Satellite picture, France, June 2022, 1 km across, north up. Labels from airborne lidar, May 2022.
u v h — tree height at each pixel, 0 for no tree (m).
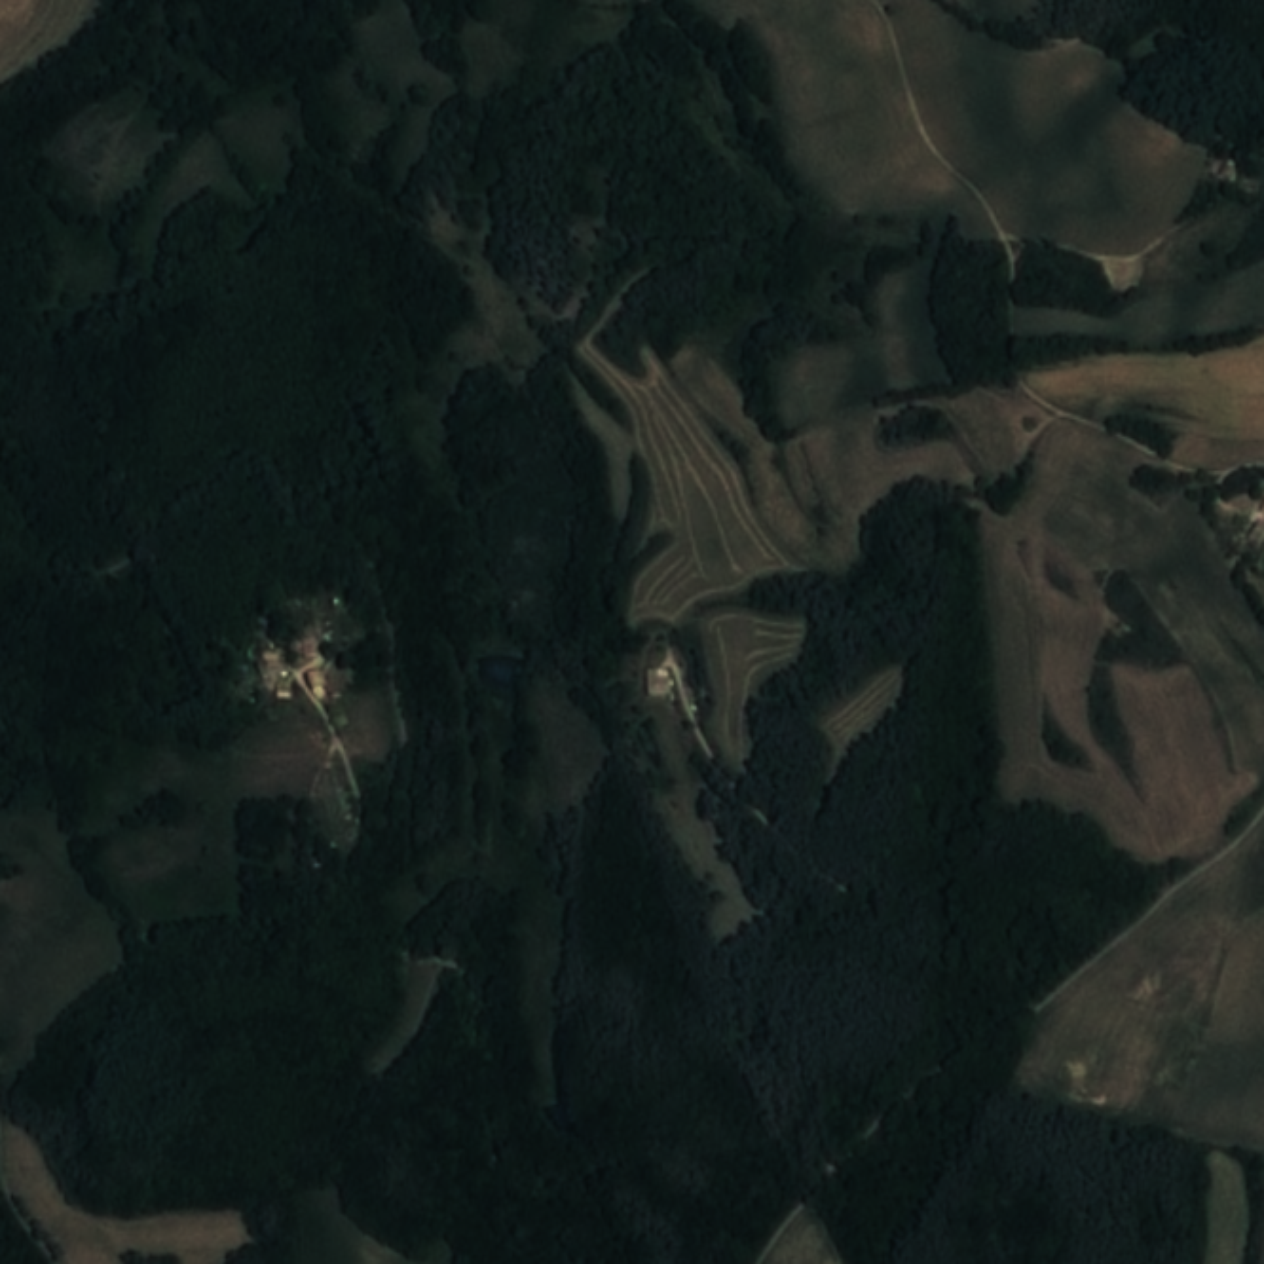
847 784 18
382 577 14
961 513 17
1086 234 0
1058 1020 0
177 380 25
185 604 21
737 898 0
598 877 12
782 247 15
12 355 20
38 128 13
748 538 0
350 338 34
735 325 0
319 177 14
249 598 19
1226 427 0
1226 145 10
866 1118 15
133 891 0
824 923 13
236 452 17
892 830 21
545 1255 9
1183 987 0
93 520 19
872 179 0
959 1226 21
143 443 22
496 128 20
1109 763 0
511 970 15
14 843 0
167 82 7
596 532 19
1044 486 0
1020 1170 23
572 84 15
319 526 25
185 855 0
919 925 23
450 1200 21
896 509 13
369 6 18
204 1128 22
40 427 26
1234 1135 0
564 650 10
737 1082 6
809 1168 17
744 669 0
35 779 18
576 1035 17
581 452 16
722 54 18
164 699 9
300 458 22
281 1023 15
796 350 6
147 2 16
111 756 15
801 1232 0
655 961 10
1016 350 20
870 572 10
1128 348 11
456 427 19
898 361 0
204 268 22
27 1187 0
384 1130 18
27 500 17
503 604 7
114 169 0
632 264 14
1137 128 0
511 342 0
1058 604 0
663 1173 11
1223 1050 0
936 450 0
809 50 0
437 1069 16
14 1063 0
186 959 20
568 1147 11
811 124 0
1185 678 0
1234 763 0
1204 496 8
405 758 12
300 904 15
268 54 20
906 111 0
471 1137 18
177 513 26
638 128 17
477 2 22
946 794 6
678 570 0
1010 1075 12
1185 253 0
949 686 13
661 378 0
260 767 0
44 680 25
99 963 0
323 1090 17
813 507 0
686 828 0
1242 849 0
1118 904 14
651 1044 9
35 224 13
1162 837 0
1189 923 0
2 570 23
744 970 22
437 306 18
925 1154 7
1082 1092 0
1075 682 0
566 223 9
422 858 15
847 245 0
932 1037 13
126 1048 23
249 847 18
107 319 22
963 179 0
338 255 25
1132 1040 0
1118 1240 20
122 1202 12
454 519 13
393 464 35
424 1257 17
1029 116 0
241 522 19
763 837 20
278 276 25
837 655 19
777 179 9
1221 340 10
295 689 10
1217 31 15
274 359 25
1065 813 6
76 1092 9
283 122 0
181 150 12
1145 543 0
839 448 0
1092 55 0
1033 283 17
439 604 8
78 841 13
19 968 0
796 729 20
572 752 0
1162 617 0
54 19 0
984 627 13
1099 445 0
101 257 0
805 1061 20
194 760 0
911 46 0
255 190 16
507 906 12
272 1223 22
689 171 15
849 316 0
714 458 0
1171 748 0
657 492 0
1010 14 0
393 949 16
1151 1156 20
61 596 25
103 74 6
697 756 7
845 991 22
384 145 11
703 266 19
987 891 18
